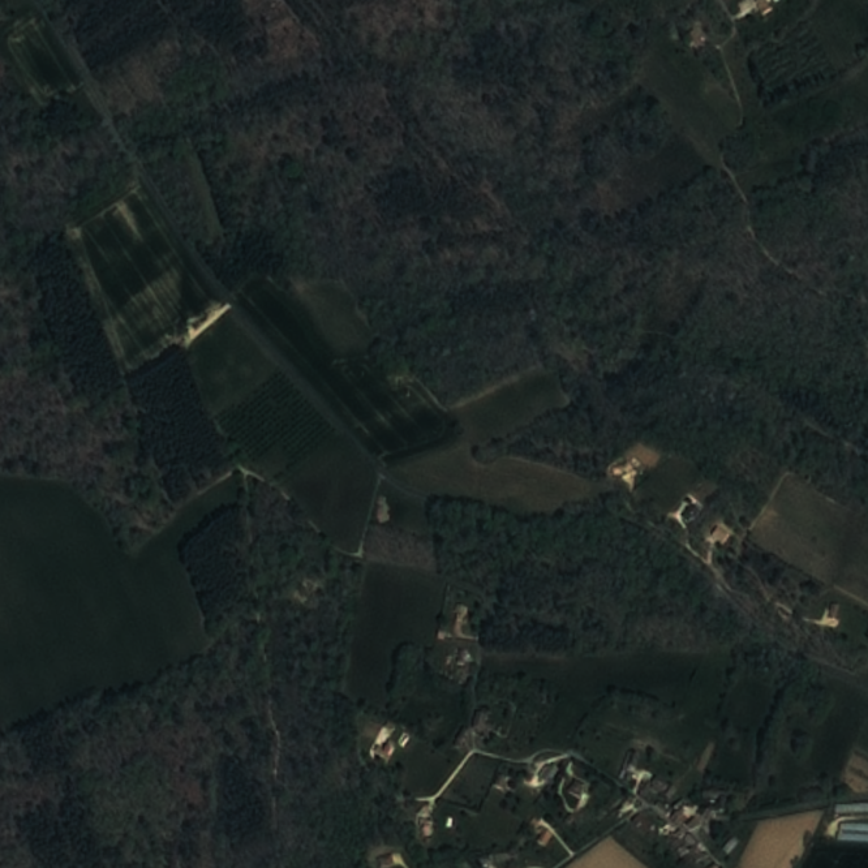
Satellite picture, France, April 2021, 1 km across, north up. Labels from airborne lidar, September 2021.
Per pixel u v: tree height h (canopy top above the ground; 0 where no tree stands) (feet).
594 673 0
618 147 59
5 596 0
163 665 0
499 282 75
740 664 52
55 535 0
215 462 54
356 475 0
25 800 19
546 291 41
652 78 0
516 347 66
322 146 28
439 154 56
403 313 49
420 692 0
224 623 56
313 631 30
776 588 47
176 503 54
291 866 54
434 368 50
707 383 60
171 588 0
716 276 55
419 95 56
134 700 84
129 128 63
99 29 50
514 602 50
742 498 55
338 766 56
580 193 33
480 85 83
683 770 0
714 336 59
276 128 50
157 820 65
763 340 87
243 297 0
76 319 55
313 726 40
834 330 73
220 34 54
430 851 25
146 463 56
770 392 87
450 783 0
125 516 60
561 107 66
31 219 55
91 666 0
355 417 0
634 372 22
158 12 47
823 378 81
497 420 0
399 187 69
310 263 69
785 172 0
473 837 0
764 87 60
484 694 38
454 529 73
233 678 67
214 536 59
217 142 66
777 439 63
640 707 27
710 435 72
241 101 46
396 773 45
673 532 52
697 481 0
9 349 34
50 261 57
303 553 46
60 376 45
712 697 0
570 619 44
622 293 32
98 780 45
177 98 73
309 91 58
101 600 0
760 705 0
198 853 73
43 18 0
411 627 0
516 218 54
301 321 0
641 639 28
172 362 61
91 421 35
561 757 0
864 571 0
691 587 94
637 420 49
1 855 27
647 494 0
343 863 52
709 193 50
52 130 64
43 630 0
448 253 47
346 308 0
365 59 61
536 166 37
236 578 54
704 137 0
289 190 61
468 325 54
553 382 0
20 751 38
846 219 60
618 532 82
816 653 60
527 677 38
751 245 42
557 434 50
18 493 0
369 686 0
